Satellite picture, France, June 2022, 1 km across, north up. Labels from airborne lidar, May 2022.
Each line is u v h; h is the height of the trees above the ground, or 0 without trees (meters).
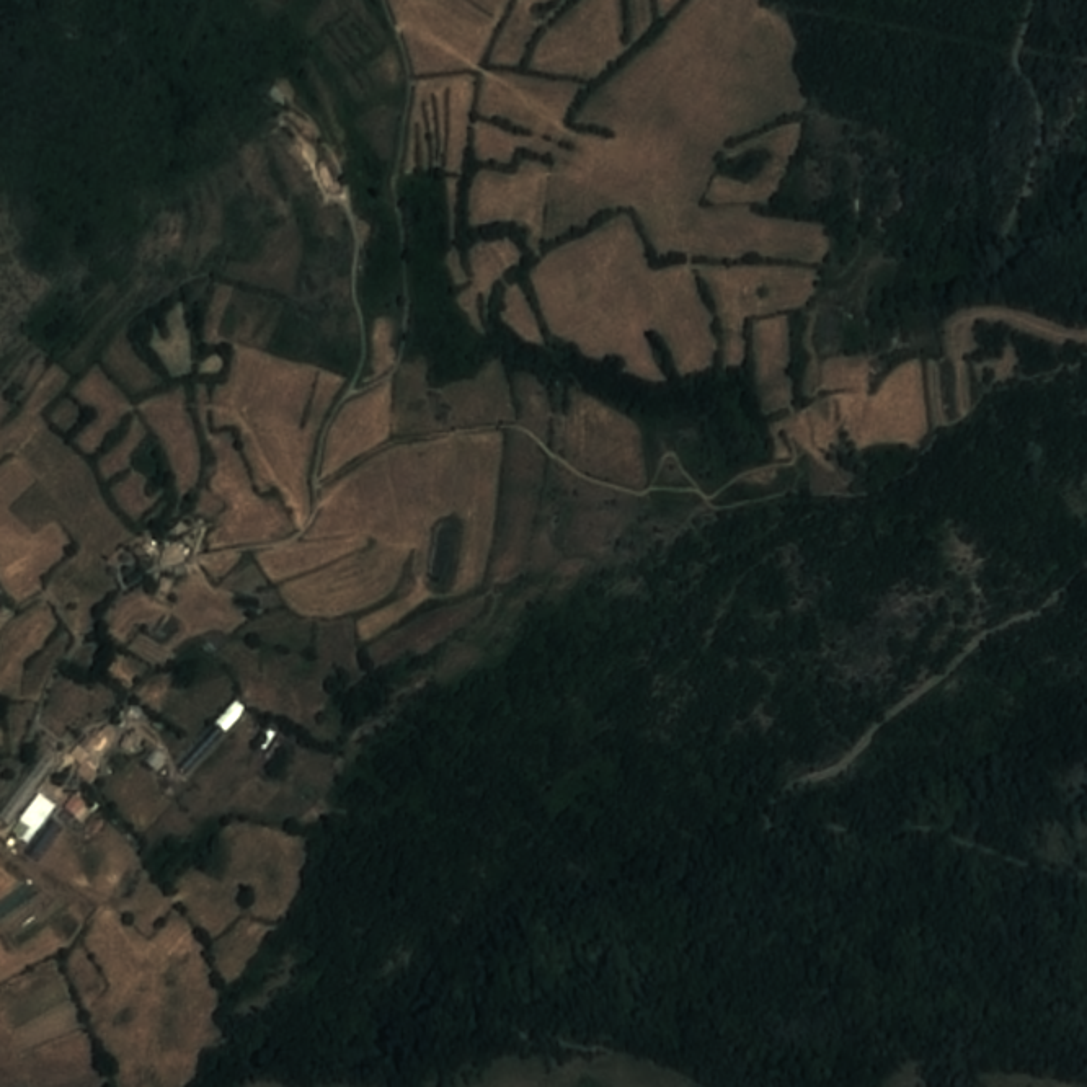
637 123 0
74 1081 0
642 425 0
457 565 0
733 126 0
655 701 7
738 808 13
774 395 0
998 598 6
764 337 0
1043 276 10
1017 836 14
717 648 10
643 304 0
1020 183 17
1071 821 18
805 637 13
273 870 0
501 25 7
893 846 15
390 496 0
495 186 0
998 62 9
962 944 15
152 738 0
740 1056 22
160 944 0
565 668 12
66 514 0
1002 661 14
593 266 0
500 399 0
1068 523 14
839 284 0
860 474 14
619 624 7
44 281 0
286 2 0
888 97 7
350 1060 30
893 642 10
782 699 11
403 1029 37
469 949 29
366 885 24
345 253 0
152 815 0
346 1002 16
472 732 15
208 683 0
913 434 0
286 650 7
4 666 0
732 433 7
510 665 12
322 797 0
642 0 0
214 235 0
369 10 0
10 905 0
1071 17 10
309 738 9
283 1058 33
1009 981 18
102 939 0
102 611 13
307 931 11
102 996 0
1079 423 8
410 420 0
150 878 6
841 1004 18
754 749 14
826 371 0
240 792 0
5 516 0
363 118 0
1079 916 12
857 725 7
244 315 0
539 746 10
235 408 0
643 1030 14
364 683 7
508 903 27
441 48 0
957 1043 16
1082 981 11
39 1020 0
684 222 0
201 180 0
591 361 11
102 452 6
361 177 0
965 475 10
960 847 12
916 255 19
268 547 0
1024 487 10
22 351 0
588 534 0
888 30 11
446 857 8
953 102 13
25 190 0
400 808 8
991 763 29
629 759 12
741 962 20
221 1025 15
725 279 0
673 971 17
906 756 9
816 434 0
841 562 11
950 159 13
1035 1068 15
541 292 0
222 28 6
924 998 15
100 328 0
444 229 9
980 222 15
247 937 0
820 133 0
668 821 13
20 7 6
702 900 22
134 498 0
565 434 0
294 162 0
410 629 0
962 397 0
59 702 0
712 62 0
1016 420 10
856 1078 19
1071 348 11
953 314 8
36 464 0
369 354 0
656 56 0
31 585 0
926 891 10
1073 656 11
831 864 17
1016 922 11
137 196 0
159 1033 0
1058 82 15
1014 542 8
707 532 9
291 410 0
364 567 0
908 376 0
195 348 6
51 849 0
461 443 0
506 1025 9
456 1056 11
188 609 0
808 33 9
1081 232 10
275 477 0
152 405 0
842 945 17
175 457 0
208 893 0
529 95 0
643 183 0
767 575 9
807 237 0
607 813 6
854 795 19
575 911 20
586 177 0
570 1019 12
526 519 0
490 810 14
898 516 7
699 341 0
